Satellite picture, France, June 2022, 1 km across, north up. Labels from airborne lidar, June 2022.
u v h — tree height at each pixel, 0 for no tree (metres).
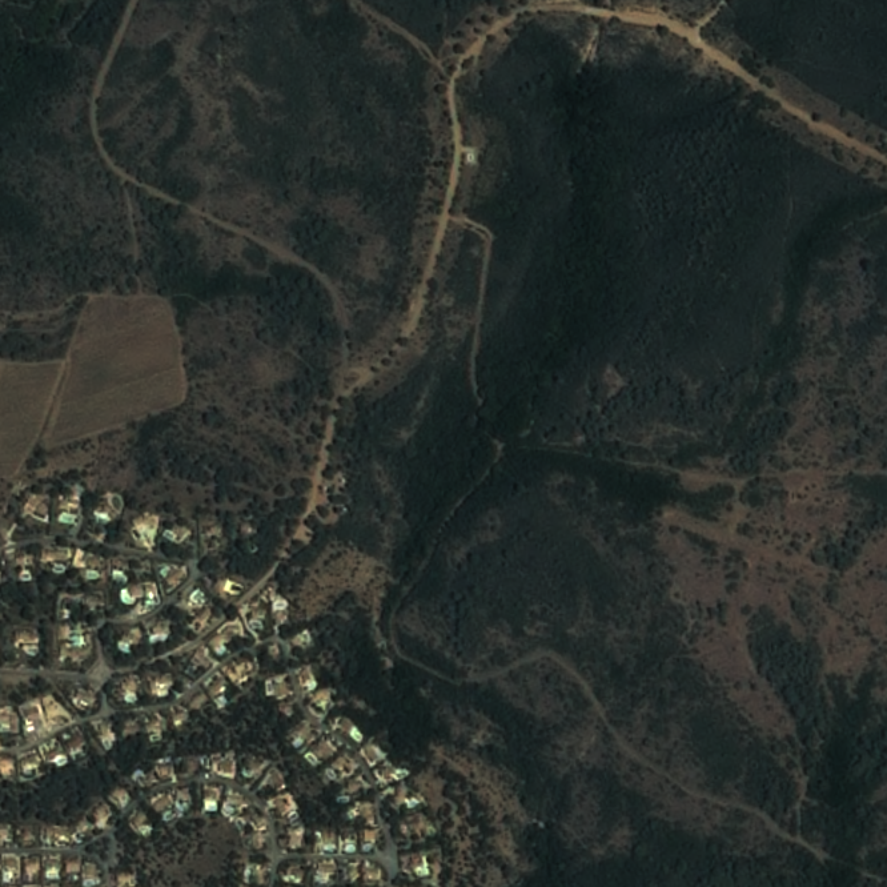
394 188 6
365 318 0
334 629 15
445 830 7
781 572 6
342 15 6
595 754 0
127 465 10
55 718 0
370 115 7
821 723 17
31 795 14
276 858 0
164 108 7
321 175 6
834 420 11
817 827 7
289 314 15
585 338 11
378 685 12
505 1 14
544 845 7
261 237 0
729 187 12
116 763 6
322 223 10
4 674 0
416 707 12
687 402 13
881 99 6
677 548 0
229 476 12
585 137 10
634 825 6
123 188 7
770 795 16
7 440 0
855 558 9
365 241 10
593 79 24
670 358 10
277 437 0
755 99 10
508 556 12
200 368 0
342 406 13
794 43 6
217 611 9
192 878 9
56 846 8
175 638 12
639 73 6
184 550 13
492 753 11
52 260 8
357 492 15
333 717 8
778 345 6
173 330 0
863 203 8
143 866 6
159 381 0
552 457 7
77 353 0
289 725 10
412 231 8
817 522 0
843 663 0
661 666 8
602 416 10
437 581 8
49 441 0
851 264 0
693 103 8
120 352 0
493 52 0
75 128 8
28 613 11
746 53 7
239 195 0
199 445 0
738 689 9
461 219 0
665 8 8
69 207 8
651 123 9
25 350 10
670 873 6
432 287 8
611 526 6
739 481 0
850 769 14
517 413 11
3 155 10
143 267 10
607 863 8
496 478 13
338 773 8
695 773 0
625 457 15
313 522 15
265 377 0
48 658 16
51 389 0
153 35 0
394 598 9
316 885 6
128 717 9
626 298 10
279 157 8
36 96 7
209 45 0
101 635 15
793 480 0
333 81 5
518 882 6
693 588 0
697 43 0
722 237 12
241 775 5
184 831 7
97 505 13
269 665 12
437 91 10
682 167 11
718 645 0
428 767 7
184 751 7
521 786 12
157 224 15
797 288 6
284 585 17
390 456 7
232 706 8
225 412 13
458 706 11
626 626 9
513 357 8
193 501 0
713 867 10
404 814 9
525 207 7
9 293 0
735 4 13
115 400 0
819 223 7
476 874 5
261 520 12
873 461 0
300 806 9
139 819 0
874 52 5
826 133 0
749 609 6
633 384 12
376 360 0
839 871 7
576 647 6
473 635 13
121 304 0
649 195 12
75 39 9
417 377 6
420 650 7
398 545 6
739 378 12
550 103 10
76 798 16
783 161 7
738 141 9
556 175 7
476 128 0
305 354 8
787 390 10
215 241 0
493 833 6
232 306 8
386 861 0
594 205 10
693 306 6
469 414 8
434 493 14
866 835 10
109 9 8
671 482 7
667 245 10
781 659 11
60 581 7
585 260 13
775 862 10
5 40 7
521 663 0
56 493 9
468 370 5
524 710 8
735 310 6
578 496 7
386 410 7
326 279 0
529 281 7
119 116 0
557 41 12
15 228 6
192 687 0
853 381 0
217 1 0
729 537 0
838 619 0
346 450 14
